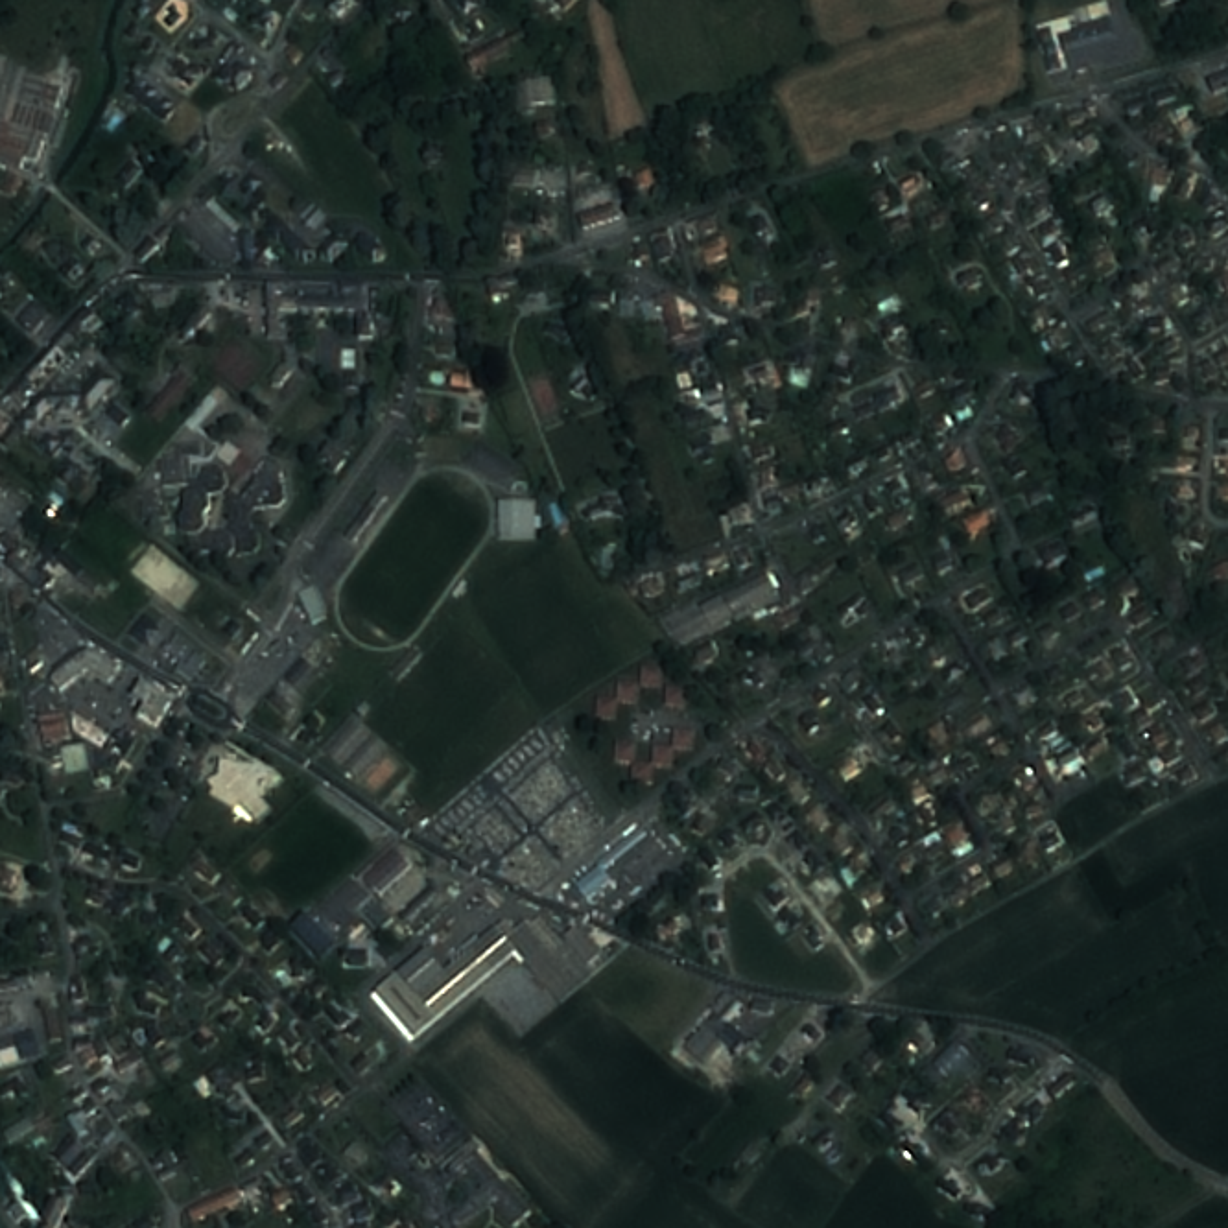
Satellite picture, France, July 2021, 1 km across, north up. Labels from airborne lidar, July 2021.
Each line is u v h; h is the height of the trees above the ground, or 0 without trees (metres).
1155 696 0
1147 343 10
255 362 0
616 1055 0
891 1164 0
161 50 0
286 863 0
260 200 9
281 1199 0
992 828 6
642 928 11
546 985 0
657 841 0
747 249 9
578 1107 0
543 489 6
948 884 6
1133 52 0
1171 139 10
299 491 0
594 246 0
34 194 0
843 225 0
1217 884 0
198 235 0
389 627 0
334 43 7
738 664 7
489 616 0
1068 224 8
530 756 0
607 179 14
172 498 0
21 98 0
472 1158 0
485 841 0
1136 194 9
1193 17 24
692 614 0
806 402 9
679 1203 0
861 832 0
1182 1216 0
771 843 0
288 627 0
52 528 14
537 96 0
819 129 0
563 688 0
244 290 0
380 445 0
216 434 13
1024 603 12
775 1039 0
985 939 0
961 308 6
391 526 0
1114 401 31
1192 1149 0
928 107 0
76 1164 0
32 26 0
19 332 17
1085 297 10
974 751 6
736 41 0
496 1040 0
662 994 0
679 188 14
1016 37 0
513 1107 0
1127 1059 0
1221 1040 0
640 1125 0
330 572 0
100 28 0
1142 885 0
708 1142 0
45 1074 15
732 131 8
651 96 0
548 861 0
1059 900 0
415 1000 0
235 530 0
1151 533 0
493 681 0
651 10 0
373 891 0
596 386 19
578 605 0
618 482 17
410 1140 6
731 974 0
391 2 5
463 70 12
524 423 0
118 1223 7
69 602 0
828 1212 0
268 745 0
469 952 0
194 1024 7
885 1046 17
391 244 0
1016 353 10
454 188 0
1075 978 0
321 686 0
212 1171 0
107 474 16
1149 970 0
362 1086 0
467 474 0
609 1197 0
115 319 6
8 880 0
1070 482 21
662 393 13
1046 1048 0
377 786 0
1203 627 12
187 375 0
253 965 7
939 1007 0
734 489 8
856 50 0
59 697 0
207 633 0
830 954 0
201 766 0
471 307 12
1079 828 0
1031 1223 6
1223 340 0
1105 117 0
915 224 12
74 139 0
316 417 0
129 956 9
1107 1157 0
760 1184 0
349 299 0
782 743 0
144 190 13
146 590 0
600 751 22
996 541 16
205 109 0
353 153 0
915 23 0
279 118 0
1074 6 0
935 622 15
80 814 10
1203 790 0
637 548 17
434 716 0
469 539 0
